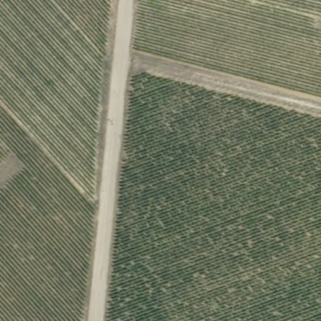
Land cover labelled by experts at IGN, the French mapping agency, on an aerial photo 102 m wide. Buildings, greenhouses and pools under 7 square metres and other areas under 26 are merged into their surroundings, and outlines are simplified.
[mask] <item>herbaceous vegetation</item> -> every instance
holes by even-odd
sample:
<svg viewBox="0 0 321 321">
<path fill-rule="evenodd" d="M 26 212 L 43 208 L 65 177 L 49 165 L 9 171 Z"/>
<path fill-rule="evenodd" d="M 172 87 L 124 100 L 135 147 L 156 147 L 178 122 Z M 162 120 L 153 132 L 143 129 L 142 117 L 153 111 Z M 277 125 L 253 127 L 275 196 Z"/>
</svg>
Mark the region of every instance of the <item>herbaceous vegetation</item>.
<svg viewBox="0 0 321 321">
<path fill-rule="evenodd" d="M 133 75 L 148 73 L 172 79 L 174 82 L 198 85 L 213 92 L 232 94 L 239 98 L 255 100 L 257 103 L 275 105 L 321 118 L 321 97 L 145 53 L 133 49 L 130 45 L 125 93 L 133 89 L 130 84 Z"/>
<path fill-rule="evenodd" d="M 8 157 L 0 162 L 0 184 L 23 171 L 25 163 L 16 157 L 14 152 L 9 153 Z"/>
</svg>

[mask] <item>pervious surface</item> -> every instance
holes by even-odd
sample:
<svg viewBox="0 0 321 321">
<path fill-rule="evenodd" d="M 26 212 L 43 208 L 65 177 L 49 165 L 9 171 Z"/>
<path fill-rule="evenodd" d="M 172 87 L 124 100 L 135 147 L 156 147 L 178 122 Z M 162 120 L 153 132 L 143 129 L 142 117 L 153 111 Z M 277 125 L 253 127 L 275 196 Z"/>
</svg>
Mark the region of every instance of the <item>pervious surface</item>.
<svg viewBox="0 0 321 321">
<path fill-rule="evenodd" d="M 110 74 L 107 132 L 88 321 L 104 321 L 110 247 L 113 243 L 114 207 L 118 199 L 117 178 L 119 152 L 122 147 L 125 93 L 130 45 L 133 23 L 132 0 L 120 0 Z"/>
</svg>

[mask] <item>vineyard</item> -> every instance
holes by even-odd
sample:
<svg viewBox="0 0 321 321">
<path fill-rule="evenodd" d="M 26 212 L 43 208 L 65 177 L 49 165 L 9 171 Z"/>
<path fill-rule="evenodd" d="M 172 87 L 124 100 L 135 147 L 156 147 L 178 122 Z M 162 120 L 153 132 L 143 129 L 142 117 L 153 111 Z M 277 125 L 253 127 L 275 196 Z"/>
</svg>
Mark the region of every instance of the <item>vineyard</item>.
<svg viewBox="0 0 321 321">
<path fill-rule="evenodd" d="M 14 152 L 16 157 L 25 163 L 23 171 L 0 184 L 0 321 L 88 321 L 107 132 L 110 74 L 120 0 L 0 0 L 0 162 L 8 157 L 9 153 Z"/>
<path fill-rule="evenodd" d="M 145 53 L 321 97 L 321 0 L 132 0 L 133 23 L 130 45 L 133 49 Z"/>
<path fill-rule="evenodd" d="M 119 152 L 117 178 L 118 199 L 114 207 L 113 243 L 110 247 L 104 321 L 321 321 L 321 118 L 275 105 L 257 103 L 255 100 L 239 98 L 232 94 L 213 92 L 198 85 L 174 82 L 172 79 L 148 73 L 133 75 L 130 84 L 133 89 L 125 93 L 122 147 Z"/>
</svg>

